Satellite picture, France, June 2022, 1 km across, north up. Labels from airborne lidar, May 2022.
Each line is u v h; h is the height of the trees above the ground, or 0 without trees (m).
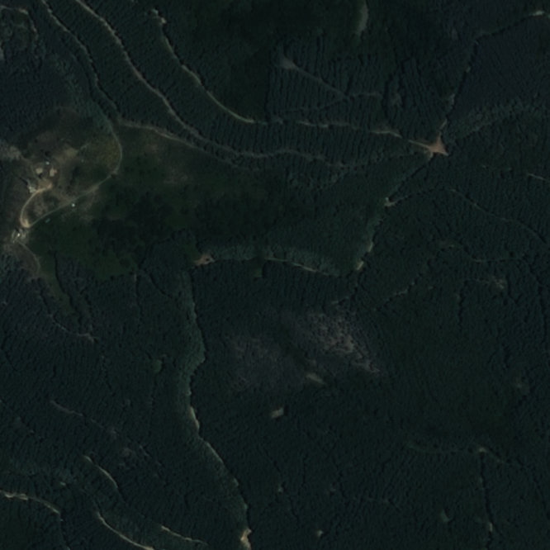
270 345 22
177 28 30
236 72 17
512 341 34
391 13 18
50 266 0
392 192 23
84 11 20
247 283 25
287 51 22
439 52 16
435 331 31
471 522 28
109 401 26
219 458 8
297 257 21
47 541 22
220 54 27
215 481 24
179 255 28
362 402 38
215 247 26
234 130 22
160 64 33
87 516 30
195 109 27
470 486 27
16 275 21
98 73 24
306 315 14
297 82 26
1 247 0
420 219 33
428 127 24
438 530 29
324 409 30
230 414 34
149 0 17
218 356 32
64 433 28
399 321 27
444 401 30
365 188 32
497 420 15
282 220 24
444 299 33
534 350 27
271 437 32
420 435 32
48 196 0
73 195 0
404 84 28
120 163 0
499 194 32
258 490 29
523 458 40
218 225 21
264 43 13
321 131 25
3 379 25
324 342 12
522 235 37
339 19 12
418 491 23
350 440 25
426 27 22
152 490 27
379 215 22
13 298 23
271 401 33
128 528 12
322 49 28
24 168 0
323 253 31
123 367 30
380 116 13
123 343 27
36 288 22
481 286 30
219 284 30
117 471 19
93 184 0
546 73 15
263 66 15
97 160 0
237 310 34
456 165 25
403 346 14
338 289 30
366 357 15
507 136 17
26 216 0
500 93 20
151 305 24
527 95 19
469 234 25
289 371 25
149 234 11
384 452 27
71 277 20
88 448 25
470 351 32
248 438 26
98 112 18
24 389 29
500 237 38
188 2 17
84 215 0
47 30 22
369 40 9
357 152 22
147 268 29
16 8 22
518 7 18
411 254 27
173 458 28
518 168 21
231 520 29
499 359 31
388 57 16
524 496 31
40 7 30
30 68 7
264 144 25
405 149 16
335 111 25
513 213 30
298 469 22
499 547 26
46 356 29
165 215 8
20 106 21
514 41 21
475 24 20
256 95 16
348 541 24
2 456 22
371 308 19
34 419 29
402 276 23
